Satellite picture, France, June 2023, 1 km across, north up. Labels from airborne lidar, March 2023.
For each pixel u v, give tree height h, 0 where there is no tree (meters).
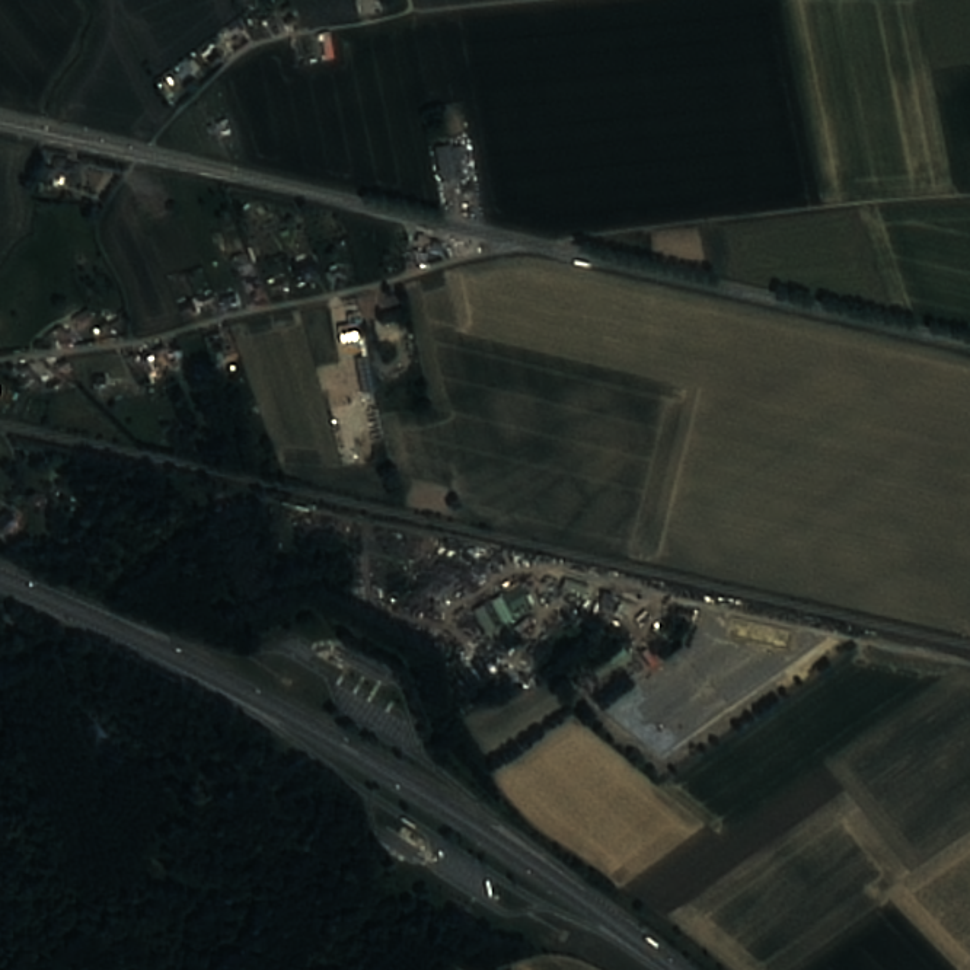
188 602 24
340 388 0
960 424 0
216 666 0
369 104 0
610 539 0
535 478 0
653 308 0
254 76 0
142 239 0
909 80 0
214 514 19
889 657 0
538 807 0
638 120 0
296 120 0
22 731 30
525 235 0
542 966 0
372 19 0
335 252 10
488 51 0
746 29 0
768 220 0
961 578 0
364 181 0
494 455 0
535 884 0
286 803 22
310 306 0
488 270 0
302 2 0
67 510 8
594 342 0
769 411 0
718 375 0
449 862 0
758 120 0
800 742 0
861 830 0
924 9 0
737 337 0
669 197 0
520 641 11
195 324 0
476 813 0
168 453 8
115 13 0
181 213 0
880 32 0
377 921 32
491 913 0
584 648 17
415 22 0
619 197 0
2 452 0
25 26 0
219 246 0
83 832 32
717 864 0
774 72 0
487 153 0
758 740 0
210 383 28
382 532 0
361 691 0
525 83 0
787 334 0
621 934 0
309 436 0
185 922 26
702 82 0
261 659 0
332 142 0
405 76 0
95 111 0
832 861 0
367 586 0
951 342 0
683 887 0
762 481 0
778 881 0
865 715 0
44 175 0
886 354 0
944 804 0
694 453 0
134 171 0
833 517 0
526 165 0
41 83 0
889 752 0
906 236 0
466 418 0
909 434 0
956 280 0
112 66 0
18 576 0
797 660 0
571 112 0
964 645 0
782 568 0
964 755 0
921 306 0
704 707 0
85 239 0
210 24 0
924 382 0
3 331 0
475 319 0
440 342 0
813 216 0
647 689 0
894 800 0
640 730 0
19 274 0
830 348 0
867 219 0
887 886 0
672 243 0
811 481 0
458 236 0
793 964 0
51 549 18
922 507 0
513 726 0
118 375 0
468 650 0
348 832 21
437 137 0
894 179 0
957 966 0
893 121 0
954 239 0
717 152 0
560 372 0
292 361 0
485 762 10
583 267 0
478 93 0
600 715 0
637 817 0
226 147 0
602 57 0
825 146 0
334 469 0
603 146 0
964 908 0
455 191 0
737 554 0
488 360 0
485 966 14
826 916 0
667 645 7
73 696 22
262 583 20
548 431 0
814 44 0
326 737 0
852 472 0
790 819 0
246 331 0
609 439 0
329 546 12
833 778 0
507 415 0
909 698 0
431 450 0
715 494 0
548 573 0
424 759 0
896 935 0
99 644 16
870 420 0
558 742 0
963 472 0
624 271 0
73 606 0
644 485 0
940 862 0
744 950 0
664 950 0
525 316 0
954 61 0
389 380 0
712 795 0
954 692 0
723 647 0
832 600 0
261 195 0
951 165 0
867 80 0
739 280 0
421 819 0
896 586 0
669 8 0
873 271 0
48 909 21
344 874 25
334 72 0
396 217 0
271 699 0
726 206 0
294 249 0
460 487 0
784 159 0
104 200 8
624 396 0
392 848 0
